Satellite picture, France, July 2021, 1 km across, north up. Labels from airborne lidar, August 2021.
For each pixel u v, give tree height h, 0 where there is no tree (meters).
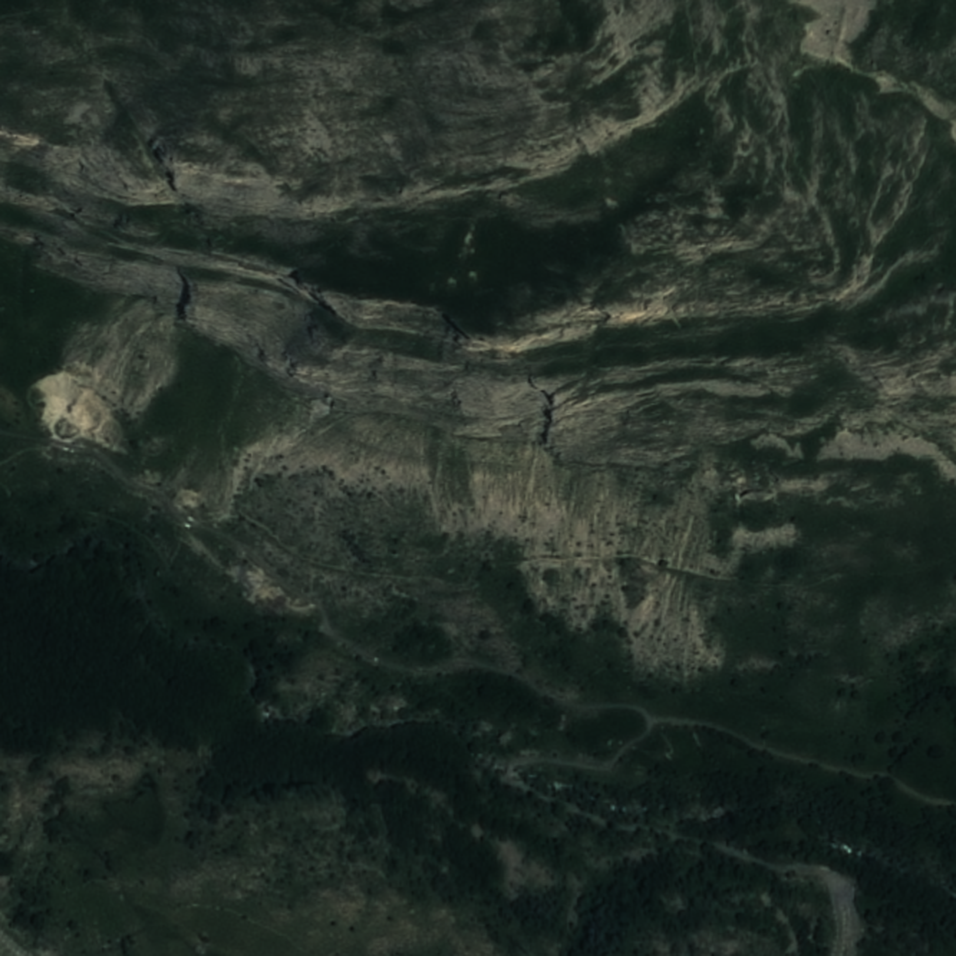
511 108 0
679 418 0
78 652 18
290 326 0
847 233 0
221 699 10
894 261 27
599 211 0
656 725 0
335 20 0
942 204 0
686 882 10
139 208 0
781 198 0
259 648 12
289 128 0
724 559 0
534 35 0
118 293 0
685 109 0
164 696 19
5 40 0
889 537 0
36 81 0
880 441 0
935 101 0
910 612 0
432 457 0
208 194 0
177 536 0
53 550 5
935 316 0
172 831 0
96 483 0
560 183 0
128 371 0
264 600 0
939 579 0
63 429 0
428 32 0
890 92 0
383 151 0
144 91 0
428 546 0
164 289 0
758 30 0
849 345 0
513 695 7
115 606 18
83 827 0
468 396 0
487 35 0
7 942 0
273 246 0
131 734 11
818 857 12
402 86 0
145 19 0
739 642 0
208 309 0
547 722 6
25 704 18
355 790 14
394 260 0
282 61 0
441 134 0
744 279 0
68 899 0
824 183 0
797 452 0
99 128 0
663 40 0
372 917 0
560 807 14
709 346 0
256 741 20
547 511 0
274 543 0
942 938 12
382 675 0
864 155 0
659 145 0
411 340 0
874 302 0
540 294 0
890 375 0
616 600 0
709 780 8
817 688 0
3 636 16
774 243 0
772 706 0
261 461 0
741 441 0
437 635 6
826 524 0
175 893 0
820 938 15
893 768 12
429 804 7
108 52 0
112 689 17
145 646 19
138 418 0
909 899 10
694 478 0
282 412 0
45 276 0
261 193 0
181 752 6
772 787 7
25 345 0
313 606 0
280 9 0
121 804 0
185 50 0
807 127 0
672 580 0
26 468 0
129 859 0
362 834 9
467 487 0
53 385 0
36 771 7
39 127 0
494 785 10
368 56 0
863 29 0
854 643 0
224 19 0
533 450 0
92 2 0
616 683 0
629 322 0
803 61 0
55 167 0
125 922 0
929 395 0
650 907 11
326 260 0
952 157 0
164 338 0
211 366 0
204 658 19
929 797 0
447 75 0
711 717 0
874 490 0
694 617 0
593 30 0
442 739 16
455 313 0
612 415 0
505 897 10
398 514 0
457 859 14
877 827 14
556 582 0
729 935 6
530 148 0
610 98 0
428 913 0
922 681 13
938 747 7
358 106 0
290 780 16
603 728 0
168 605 0
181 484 0
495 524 0
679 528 0
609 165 0
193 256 0
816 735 0
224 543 0
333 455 0
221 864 0
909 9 0
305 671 0
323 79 0
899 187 0
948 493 0
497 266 0
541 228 0
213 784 16
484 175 0
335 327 0
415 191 0
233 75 0
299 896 0
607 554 0
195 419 0
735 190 0
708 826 11
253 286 0
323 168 0
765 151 0
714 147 0
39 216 0
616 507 0
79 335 0
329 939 0
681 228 0
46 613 21
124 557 6
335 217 17
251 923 0
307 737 24
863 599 0
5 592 20
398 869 15
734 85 0
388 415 0
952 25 0
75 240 0
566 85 0
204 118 0
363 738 20
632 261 0
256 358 0
